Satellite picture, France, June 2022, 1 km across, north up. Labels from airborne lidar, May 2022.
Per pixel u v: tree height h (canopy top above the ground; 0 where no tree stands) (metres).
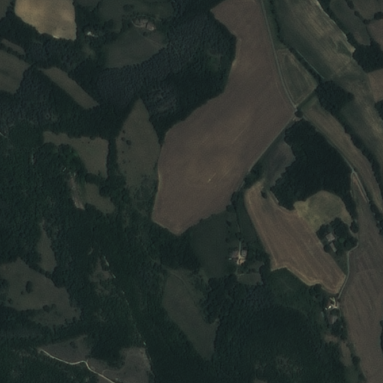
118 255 14
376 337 0
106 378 0
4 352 7
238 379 15
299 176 15
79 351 0
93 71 21
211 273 0
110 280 7
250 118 0
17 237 8
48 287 0
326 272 0
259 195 0
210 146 0
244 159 0
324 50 0
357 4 0
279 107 0
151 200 6
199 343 0
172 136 0
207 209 0
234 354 9
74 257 13
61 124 15
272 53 0
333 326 15
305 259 0
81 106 12
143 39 0
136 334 6
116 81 19
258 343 9
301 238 0
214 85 18
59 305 0
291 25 0
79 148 0
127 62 0
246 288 9
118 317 10
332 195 0
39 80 17
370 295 0
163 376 14
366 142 0
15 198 15
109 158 17
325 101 15
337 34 0
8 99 21
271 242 0
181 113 13
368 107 0
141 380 0
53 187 16
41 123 15
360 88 0
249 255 17
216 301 21
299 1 0
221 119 0
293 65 0
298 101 0
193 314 0
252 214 0
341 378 11
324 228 18
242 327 10
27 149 9
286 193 9
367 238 0
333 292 0
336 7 0
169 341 10
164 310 10
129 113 11
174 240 7
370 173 0
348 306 0
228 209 13
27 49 16
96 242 9
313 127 14
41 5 0
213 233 0
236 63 0
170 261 17
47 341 8
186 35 18
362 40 0
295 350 10
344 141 0
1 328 13
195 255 13
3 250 18
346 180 14
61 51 22
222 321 17
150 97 16
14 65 0
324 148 18
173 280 0
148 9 0
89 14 7
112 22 7
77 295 16
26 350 6
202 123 0
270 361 10
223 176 0
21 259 9
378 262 0
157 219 0
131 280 8
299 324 14
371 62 20
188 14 21
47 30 0
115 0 0
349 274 0
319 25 0
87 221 16
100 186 8
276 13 18
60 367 7
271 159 0
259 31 0
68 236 15
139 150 0
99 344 12
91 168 0
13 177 15
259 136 0
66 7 0
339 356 12
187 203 0
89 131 20
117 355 14
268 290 18
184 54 11
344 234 19
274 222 0
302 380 9
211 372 7
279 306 9
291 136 15
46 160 15
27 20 0
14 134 11
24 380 13
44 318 0
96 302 12
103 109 20
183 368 14
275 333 10
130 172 0
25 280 0
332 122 0
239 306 13
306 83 0
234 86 0
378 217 14
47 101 6
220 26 16
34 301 0
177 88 17
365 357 0
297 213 0
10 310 18
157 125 15
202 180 0
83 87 19
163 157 0
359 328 0
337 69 0
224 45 12
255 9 0
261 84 0
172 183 0
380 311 0
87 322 16
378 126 0
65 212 16
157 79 16
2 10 0
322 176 19
